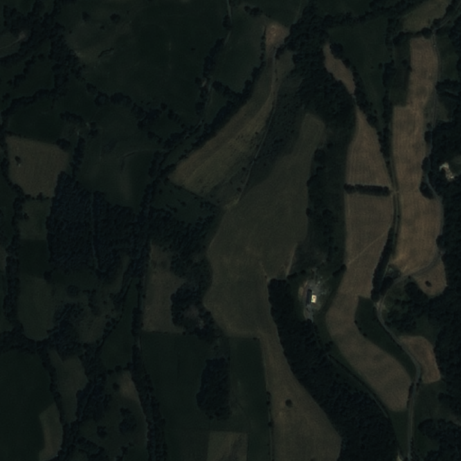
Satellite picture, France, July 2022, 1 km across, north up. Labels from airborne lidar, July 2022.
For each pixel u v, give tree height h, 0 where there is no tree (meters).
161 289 0
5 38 0
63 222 21
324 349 11
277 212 0
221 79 0
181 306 8
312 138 0
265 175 0
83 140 20
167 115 0
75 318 9
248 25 0
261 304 0
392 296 0
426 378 0
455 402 19
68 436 18
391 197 0
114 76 0
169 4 0
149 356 0
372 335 0
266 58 0
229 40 0
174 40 0
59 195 20
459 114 19
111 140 0
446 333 17
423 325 0
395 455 26
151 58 0
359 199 0
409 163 0
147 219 21
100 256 30
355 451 23
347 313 0
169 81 0
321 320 0
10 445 0
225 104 0
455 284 9
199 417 0
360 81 12
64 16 0
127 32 0
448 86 20
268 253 0
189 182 0
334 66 0
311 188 14
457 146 29
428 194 21
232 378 0
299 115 0
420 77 0
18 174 0
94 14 0
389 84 26
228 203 0
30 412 0
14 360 0
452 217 21
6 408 0
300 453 0
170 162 0
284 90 0
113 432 0
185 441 0
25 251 0
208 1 0
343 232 0
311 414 0
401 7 18
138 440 0
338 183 0
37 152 0
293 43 21
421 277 0
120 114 0
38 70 0
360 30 0
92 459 11
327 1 0
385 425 29
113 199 0
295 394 0
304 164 0
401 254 0
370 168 0
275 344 0
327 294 0
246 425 0
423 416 0
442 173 12
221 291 0
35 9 16
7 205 0
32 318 0
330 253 13
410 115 0
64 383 0
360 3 0
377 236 0
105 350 0
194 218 0
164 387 0
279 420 0
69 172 0
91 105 0
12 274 19
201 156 0
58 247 24
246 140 0
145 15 0
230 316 0
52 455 0
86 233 21
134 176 0
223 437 0
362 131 0
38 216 0
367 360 0
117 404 0
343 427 13
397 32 0
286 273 0
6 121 15
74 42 0
